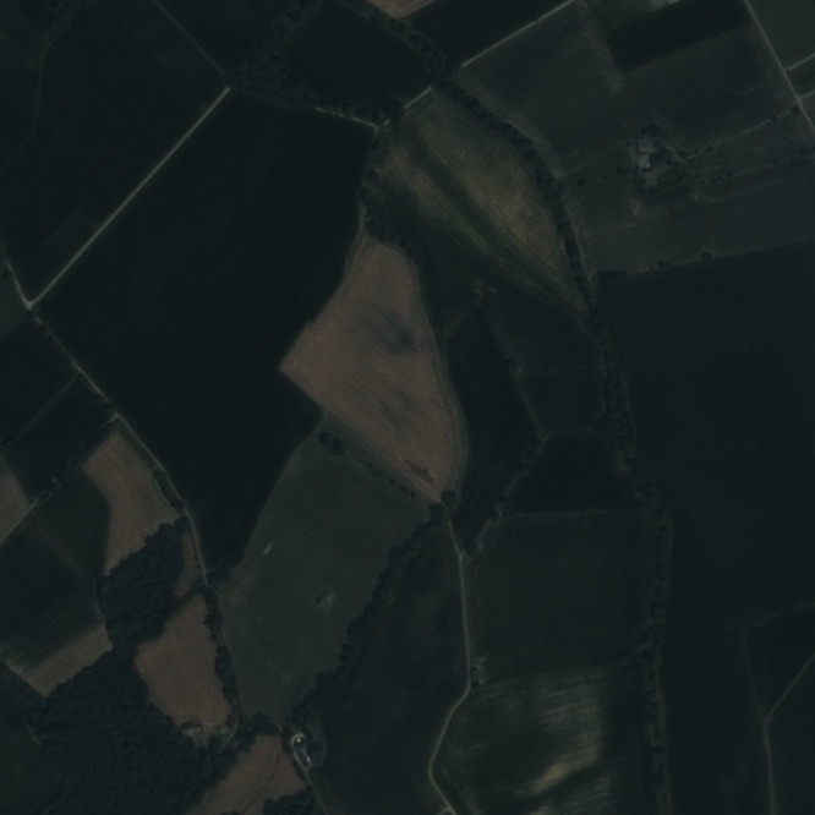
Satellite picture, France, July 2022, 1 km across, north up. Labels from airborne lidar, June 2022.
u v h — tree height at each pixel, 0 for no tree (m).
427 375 0
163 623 25
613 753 0
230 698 14
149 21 0
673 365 0
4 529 0
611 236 0
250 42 0
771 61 0
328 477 0
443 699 0
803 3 0
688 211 0
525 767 0
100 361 0
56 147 0
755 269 0
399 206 0
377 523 0
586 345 0
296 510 0
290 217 0
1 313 0
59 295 0
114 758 22
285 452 0
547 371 7
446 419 0
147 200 0
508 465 0
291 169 0
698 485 0
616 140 0
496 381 0
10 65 0
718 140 0
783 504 0
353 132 0
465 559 0
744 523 0
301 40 0
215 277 0
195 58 0
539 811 0
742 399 0
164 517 0
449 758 0
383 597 16
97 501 0
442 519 16
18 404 0
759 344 0
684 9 0
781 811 0
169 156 0
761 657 0
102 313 0
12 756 0
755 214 0
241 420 0
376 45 0
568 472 0
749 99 0
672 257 0
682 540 0
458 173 0
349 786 0
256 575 0
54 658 0
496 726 0
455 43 0
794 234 0
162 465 0
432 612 0
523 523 0
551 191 19
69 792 16
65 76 0
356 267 0
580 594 0
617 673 0
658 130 21
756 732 0
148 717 28
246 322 0
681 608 0
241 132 0
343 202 0
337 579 0
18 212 0
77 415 0
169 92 0
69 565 0
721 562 0
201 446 0
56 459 0
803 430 0
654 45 0
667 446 0
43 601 0
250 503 0
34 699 16
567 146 0
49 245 0
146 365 0
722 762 0
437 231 0
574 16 0
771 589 0
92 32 0
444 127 0
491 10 0
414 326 0
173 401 0
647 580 0
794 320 0
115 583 17
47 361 0
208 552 0
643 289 0
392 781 0
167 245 0
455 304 0
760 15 0
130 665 18
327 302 0
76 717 22
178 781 23
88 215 0
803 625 0
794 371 0
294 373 0
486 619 0
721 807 0
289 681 0
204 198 0
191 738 8
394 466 0
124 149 0
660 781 21
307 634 0
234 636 0
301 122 0
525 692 0
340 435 0
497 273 0
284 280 0
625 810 0
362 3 14
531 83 0
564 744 0
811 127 0
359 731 0
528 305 0
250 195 0
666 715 0
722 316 0
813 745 0
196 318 0
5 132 0
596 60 0
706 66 0
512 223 0
